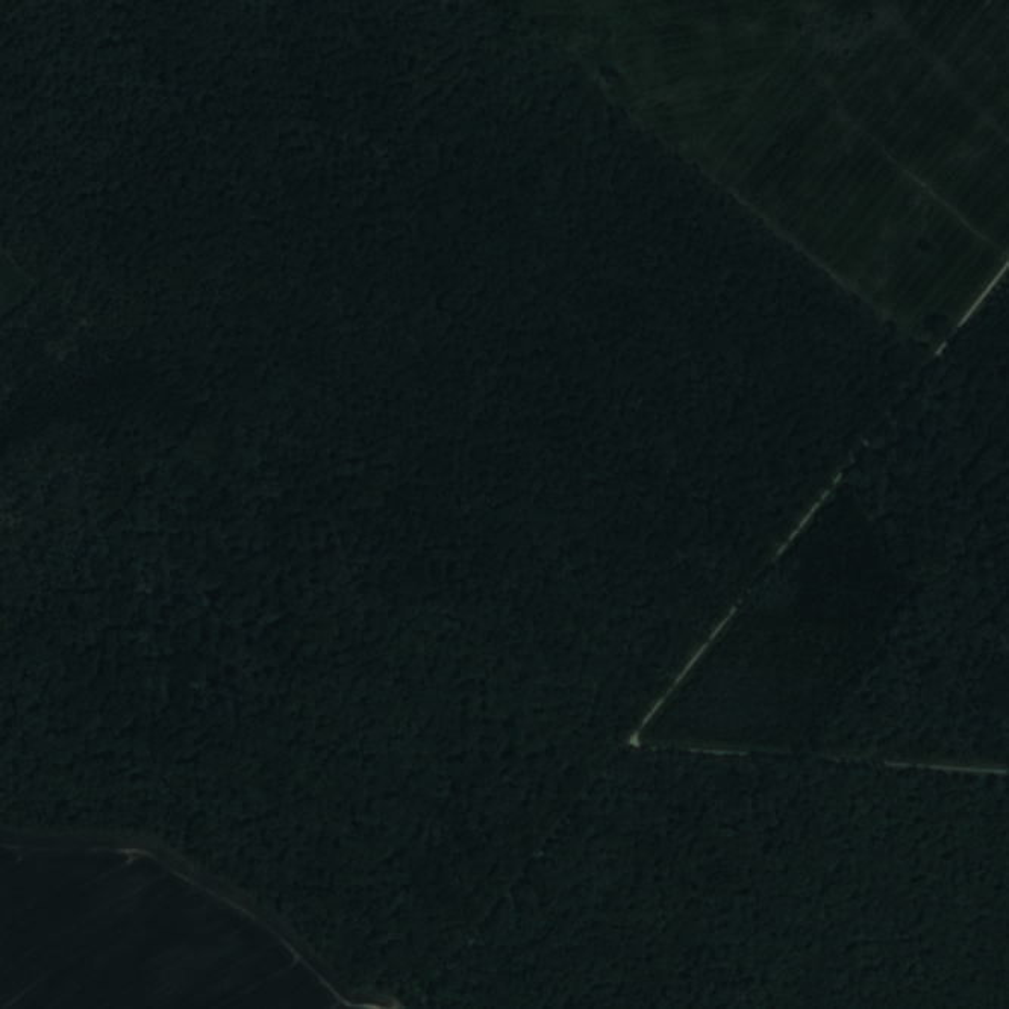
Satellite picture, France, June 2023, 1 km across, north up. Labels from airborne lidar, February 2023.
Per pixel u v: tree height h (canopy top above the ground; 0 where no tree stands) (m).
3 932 0
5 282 0
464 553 29
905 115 0
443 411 29
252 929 0
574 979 21
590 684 27
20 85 20
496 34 21
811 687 7
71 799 23
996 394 28
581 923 22
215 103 26
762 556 25
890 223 0
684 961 22
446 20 21
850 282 0
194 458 23
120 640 28
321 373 26
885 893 19
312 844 24
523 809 20
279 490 29
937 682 26
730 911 23
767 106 0
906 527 29
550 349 27
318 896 22
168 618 28
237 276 25
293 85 27
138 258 24
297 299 27
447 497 28
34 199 18
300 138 24
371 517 28
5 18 25
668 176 30
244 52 26
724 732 6
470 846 26
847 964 18
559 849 18
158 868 0
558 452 27
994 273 0
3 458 20
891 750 9
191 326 24
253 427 17
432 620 23
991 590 25
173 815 21
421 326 26
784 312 26
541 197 25
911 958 22
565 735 23
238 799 25
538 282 24
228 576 24
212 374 24
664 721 7
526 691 24
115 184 23
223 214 26
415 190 23
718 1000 22
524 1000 25
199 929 0
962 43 0
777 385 27
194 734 28
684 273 25
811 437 28
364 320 24
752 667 6
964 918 23
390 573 29
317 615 28
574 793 20
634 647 22
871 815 20
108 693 23
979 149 0
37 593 28
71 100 16
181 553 30
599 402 27
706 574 25
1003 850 21
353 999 0
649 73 0
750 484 30
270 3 21
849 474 17
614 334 28
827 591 7
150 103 23
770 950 23
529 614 28
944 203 0
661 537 28
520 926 21
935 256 28
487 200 28
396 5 26
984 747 25
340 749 24
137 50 24
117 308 22
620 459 29
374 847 26
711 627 10
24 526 19
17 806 23
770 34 0
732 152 0
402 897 29
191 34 26
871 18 15
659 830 20
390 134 24
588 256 26
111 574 30
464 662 22
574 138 25
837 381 24
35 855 0
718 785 22
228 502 32
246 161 30
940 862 21
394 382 28
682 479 28
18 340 13
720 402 26
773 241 27
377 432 28
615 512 29
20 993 0
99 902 0
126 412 19
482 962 26
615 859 22
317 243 24
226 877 19
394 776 25
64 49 22
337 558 31
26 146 18
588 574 30
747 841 23
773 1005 20
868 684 26
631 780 17
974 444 31
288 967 0
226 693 27
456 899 25
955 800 20
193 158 26
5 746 23
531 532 28
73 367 16
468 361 25
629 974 23
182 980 0
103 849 0
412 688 24
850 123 0
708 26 0
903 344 26
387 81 24
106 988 0
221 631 32
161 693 30
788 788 28
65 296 10
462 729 26
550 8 0
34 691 26
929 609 24
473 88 27
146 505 20
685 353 19
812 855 18
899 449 29
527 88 27
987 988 22
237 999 0
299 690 26
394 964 21
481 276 25
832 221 0
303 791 25
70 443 11
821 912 17
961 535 24
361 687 24
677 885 22
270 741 26
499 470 29
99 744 25
